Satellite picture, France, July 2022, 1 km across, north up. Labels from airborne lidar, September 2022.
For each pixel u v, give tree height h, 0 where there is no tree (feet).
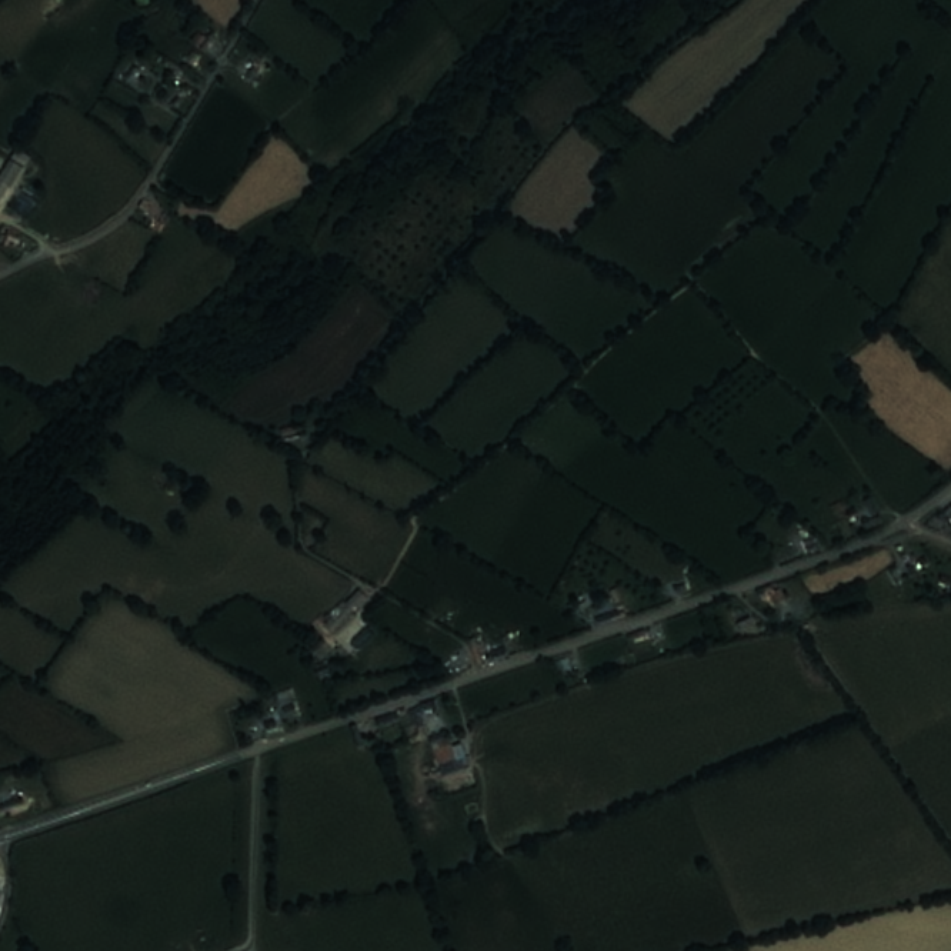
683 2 47
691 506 0
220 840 0
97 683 0
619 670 52
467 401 0
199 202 36
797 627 25
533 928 0
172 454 0
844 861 0
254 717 27
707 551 0
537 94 0
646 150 0
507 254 0
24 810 0
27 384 48
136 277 31
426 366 0
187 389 33
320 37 0
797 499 0
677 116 0
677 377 0
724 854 0
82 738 0
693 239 0
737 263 0
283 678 0
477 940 0
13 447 0
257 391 0
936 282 0
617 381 0
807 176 0
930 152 0
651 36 0
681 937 0
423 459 0
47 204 0
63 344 0
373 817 0
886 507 0
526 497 0
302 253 30
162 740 0
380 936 0
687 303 0
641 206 0
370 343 0
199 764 0
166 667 0
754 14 0
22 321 0
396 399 0
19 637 0
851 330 0
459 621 0
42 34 0
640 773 0
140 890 0
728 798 0
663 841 0
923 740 0
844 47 0
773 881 0
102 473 71
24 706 0
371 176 44
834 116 0
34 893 0
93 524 0
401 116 26
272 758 0
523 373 0
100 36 0
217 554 0
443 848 0
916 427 0
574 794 0
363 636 0
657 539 26
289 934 0
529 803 0
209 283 0
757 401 0
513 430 20
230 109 0
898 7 0
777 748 50
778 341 0
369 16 0
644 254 0
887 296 0
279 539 36
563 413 0
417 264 0
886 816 0
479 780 0
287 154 0
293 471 45
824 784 0
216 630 0
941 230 26
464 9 0
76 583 0
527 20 36
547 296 0
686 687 0
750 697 0
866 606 35
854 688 0
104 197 0
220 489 0
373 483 0
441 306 0
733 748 0
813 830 0
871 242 0
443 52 0
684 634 0
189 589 0
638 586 20
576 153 0
